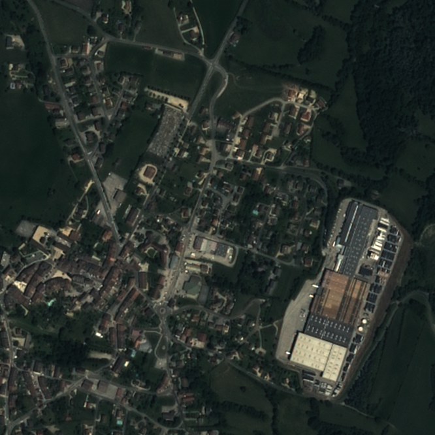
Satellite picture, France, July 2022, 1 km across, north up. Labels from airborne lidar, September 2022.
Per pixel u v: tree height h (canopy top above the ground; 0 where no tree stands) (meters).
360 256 0
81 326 0
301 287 0
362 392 7
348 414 0
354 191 11
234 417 0
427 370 0
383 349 7
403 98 7
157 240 0
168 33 0
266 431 0
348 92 0
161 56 0
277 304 0
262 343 0
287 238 8
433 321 0
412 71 15
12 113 0
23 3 11
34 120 0
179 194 0
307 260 0
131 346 11
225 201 0
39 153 0
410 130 20
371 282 0
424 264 10
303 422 0
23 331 6
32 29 15
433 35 13
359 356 0
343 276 0
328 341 0
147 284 0
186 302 0
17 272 9
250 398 0
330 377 0
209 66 0
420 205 14
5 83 0
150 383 16
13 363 0
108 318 0
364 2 20
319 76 0
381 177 0
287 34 0
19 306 11
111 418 6
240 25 10
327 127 0
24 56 0
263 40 0
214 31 0
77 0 0
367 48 0
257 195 8
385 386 0
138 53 0
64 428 0
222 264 0
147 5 0
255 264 19
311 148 6
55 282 0
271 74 11
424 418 0
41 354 6
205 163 0
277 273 0
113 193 0
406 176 8
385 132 17
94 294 0
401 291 11
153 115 10
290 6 0
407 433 0
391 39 10
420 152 0
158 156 0
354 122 0
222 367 0
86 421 0
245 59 0
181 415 0
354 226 0
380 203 12
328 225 17
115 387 0
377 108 15
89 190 0
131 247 0
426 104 17
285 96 0
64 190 0
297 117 0
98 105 0
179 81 0
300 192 9
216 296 8
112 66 0
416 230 11
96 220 0
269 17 0
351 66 23
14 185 0
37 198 0
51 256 0
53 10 0
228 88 0
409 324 0
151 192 0
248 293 12
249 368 7
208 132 0
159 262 14
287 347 0
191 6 14
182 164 0
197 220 0
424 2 11
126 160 0
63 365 18
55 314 8
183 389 12
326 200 0
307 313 0
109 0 0
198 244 0
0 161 0
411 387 0
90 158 0
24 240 16
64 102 0
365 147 0
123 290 0
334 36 0
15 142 0
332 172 12
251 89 0
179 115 0
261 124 0
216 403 18
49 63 0
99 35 0
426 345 0
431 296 9
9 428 0
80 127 0
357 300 0
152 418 0
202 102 0
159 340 0
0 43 0
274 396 10
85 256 0
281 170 0
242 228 11
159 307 0
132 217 0
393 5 0
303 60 16
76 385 0
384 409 0
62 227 12
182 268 0
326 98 0
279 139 0
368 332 0
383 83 14
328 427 10
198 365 6
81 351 11
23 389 0
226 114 0
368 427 0
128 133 0
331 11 0
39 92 13
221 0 0
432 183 19
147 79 0
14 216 0
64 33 0
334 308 0
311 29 0
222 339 8
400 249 0
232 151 0
